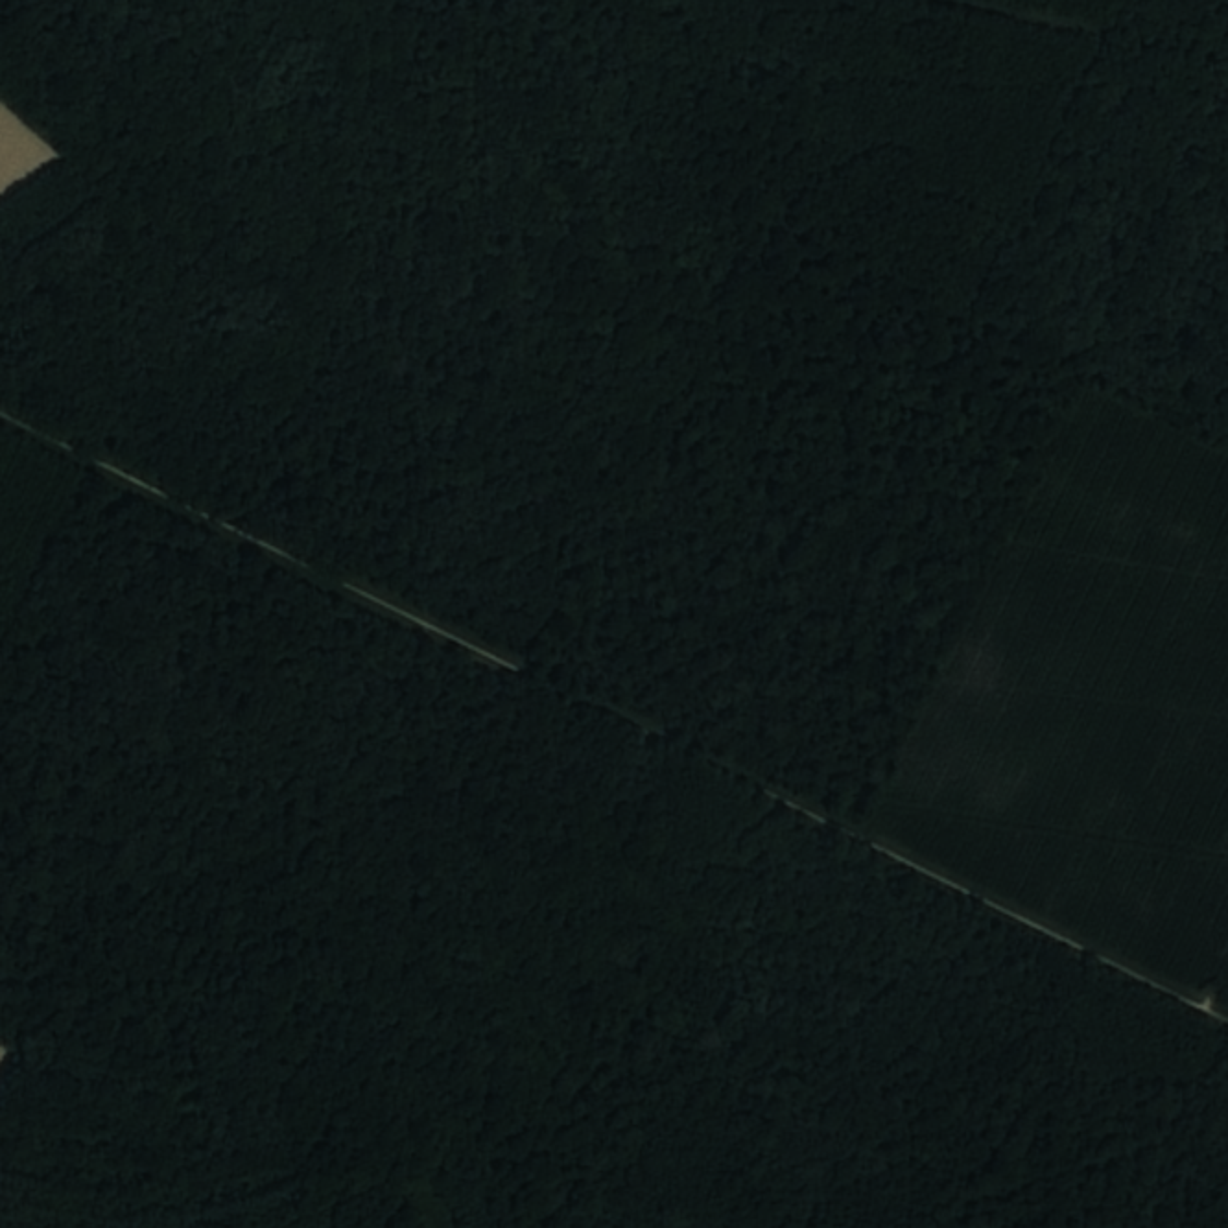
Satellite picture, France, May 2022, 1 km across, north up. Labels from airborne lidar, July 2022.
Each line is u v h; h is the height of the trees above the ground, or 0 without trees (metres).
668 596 22
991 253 17
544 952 21
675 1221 27
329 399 19
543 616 20
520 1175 22
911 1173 18
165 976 18
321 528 23
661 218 20
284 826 24
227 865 17
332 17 25
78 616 22
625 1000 20
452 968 26
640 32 19
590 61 24
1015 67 17
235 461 20
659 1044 25
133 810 17
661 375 24
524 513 22
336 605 21
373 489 24
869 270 19
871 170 24
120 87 20
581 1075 17
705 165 27
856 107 19
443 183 20
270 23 23
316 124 23
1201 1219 23
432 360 17
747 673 22
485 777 22
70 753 27
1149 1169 24
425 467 20
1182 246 23
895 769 22
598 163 17
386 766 25
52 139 17
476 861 21
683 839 19
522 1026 22
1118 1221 22
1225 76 23
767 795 17
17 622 12
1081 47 15
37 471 14
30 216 17
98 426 20
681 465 28
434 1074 26
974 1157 21
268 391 23
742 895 22
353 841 25
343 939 20
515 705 22
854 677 24
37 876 26
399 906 20
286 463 18
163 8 25
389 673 20
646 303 23
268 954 20
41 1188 24
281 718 22
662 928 23
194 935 25
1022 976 23
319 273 21
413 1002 22
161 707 24
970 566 22
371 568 18
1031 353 30
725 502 20
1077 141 23
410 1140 21
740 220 25
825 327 23
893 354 28
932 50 22
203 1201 7
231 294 25
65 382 22
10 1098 24
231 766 20
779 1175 23
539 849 22
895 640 20
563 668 7
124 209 22
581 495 20
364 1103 23
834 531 15
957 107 17
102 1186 16
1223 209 25
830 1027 25
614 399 22
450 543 21
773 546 23
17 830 26
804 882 25
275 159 24
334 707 22
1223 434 22
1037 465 19
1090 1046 19
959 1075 26
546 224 22
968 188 17
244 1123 27
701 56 20
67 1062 24
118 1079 22
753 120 28
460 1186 20
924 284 23
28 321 20
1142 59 24
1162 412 10
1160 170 20
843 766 17
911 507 25
